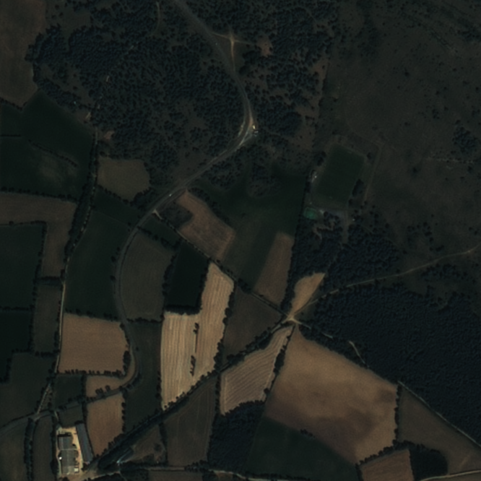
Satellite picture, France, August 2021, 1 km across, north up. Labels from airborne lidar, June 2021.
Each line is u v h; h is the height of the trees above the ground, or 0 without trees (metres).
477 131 0
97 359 0
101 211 0
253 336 0
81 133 0
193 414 0
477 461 0
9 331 0
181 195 0
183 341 0
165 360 0
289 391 0
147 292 0
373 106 0
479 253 0
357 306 17
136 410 0
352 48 0
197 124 0
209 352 0
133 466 15
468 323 19
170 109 7
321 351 0
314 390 0
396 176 0
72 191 0
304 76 9
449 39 0
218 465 15
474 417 15
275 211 0
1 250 0
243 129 0
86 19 0
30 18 0
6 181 0
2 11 0
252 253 0
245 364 0
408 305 16
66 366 0
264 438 0
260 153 8
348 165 0
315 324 15
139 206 10
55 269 0
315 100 0
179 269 0
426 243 0
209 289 0
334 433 0
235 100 9
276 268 0
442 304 13
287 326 7
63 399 0
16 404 0
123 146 6
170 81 6
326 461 0
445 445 0
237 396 0
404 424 0
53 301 0
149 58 11
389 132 0
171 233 0
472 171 11
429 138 0
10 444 0
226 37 0
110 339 0
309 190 12
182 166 0
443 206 0
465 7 0
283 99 11
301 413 0
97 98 9
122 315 0
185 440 0
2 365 0
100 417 0
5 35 0
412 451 10
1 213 0
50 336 0
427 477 8
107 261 0
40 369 0
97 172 7
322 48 11
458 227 0
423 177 0
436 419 0
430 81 0
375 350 13
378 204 0
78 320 0
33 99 0
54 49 17
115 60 17
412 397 0
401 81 0
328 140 0
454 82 0
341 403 0
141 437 10
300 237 9
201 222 0
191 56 8
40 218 0
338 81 0
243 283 10
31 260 0
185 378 0
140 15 15
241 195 0
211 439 8
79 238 10
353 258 14
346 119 0
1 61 0
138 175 0
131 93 14
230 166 12
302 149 0
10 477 0
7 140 0
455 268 9
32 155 0
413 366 17
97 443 0
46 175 0
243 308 0
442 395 17
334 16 11
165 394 0
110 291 0
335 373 0
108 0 9
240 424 16
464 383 13
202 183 0
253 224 0
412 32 0
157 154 8
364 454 0
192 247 8
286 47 13
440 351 18
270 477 8
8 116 0
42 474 0
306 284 0
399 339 17
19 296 0
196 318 0
